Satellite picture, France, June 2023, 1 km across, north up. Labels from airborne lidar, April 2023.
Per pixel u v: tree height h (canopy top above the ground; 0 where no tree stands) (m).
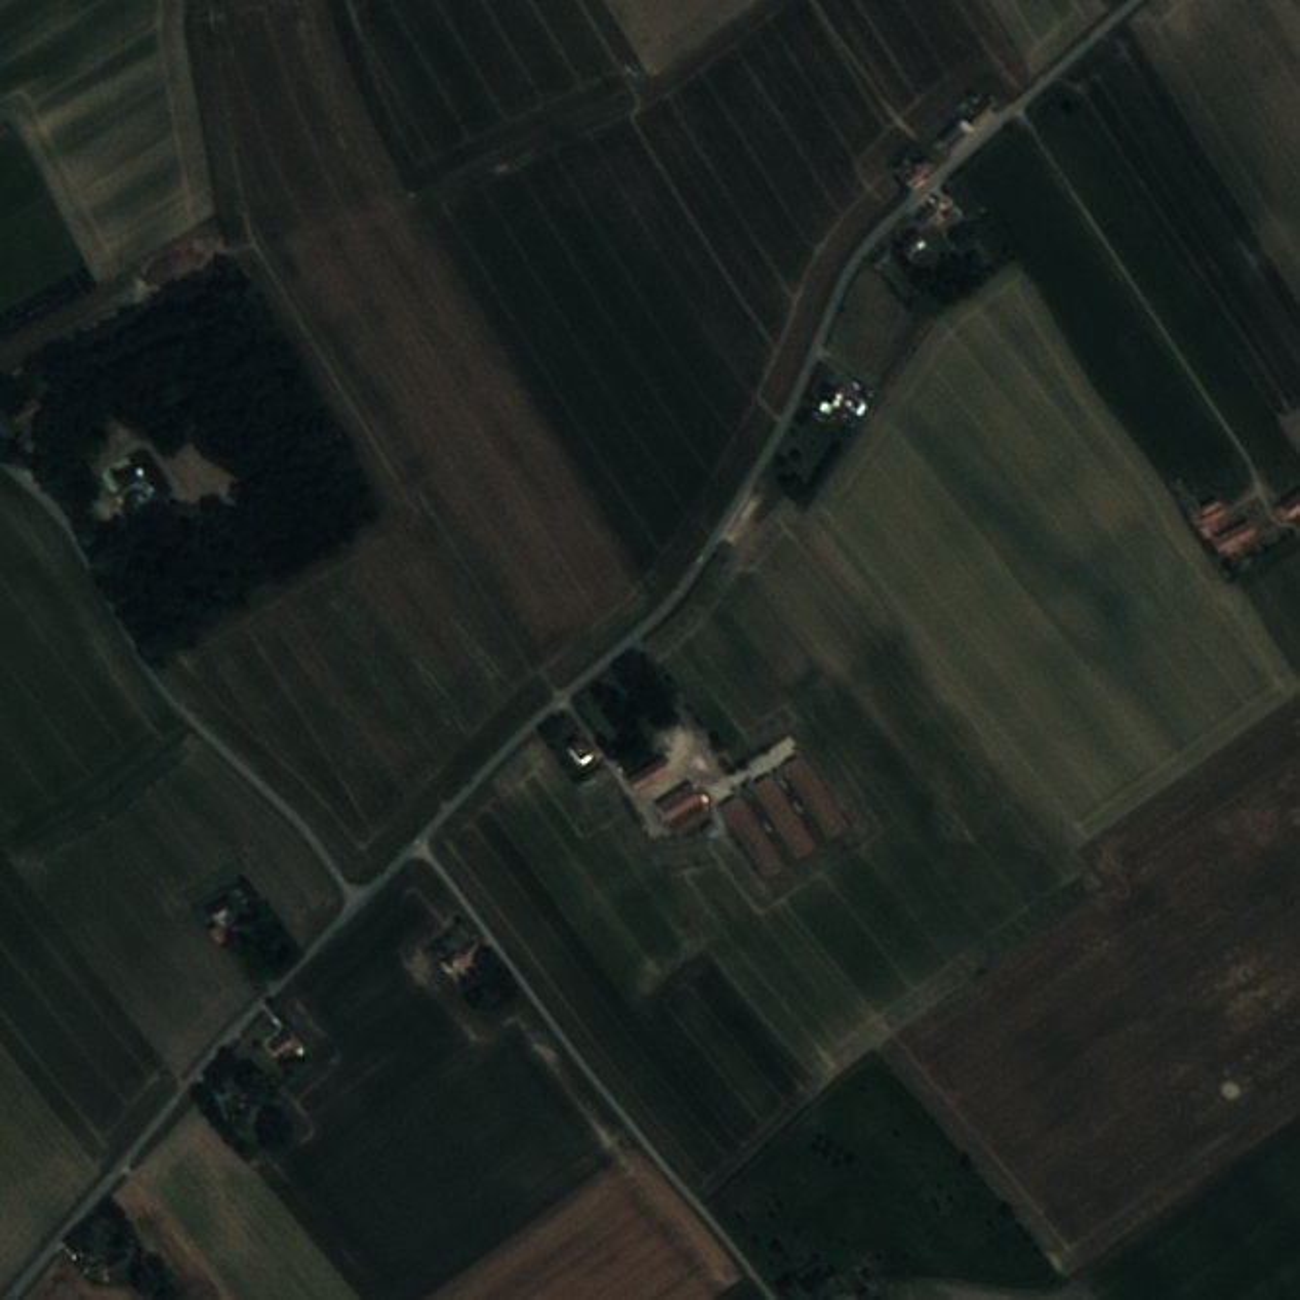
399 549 0
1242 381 0
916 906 0
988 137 0
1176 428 0
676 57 0
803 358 0
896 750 0
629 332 0
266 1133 19
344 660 0
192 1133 0
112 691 0
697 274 0
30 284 0
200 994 0
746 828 0
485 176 0
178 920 0
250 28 0
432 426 0
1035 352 0
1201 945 0
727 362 0
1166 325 0
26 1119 0
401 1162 0
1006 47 0
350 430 0
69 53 0
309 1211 0
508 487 0
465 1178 0
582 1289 0
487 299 0
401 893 0
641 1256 0
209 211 0
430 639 0
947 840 0
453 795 0
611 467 0
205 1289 0
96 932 0
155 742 0
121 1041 0
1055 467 0
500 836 0
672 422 0
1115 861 0
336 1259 0
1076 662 0
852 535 0
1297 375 0
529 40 0
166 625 31
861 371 0
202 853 0
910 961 0
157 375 23
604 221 0
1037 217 0
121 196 0
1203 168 0
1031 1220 0
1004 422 0
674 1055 0
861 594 0
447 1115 0
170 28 0
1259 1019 0
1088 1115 0
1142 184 0
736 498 0
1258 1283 0
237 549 25
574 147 0
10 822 0
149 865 0
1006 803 0
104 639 0
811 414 7
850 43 0
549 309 0
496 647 0
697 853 0
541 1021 0
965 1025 0
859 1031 0
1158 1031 0
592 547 0
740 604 0
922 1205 0
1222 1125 0
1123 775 0
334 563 0
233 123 0
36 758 0
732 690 0
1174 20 0
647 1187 0
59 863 0
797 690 0
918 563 0
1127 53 0
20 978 0
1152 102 0
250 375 27
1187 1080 0
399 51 0
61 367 22
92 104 0
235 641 0
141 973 0
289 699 0
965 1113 0
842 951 0
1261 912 0
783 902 0
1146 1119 0
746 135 0
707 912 0
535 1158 0
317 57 0
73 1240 14
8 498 0
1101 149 0
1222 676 0
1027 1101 0
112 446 0
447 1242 0
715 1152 0
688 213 0
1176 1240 0
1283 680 0
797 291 0
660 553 0
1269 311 0
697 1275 0
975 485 0
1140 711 0
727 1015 0
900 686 0
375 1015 0
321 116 0
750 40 0
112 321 7
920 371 0
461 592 0
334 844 0
